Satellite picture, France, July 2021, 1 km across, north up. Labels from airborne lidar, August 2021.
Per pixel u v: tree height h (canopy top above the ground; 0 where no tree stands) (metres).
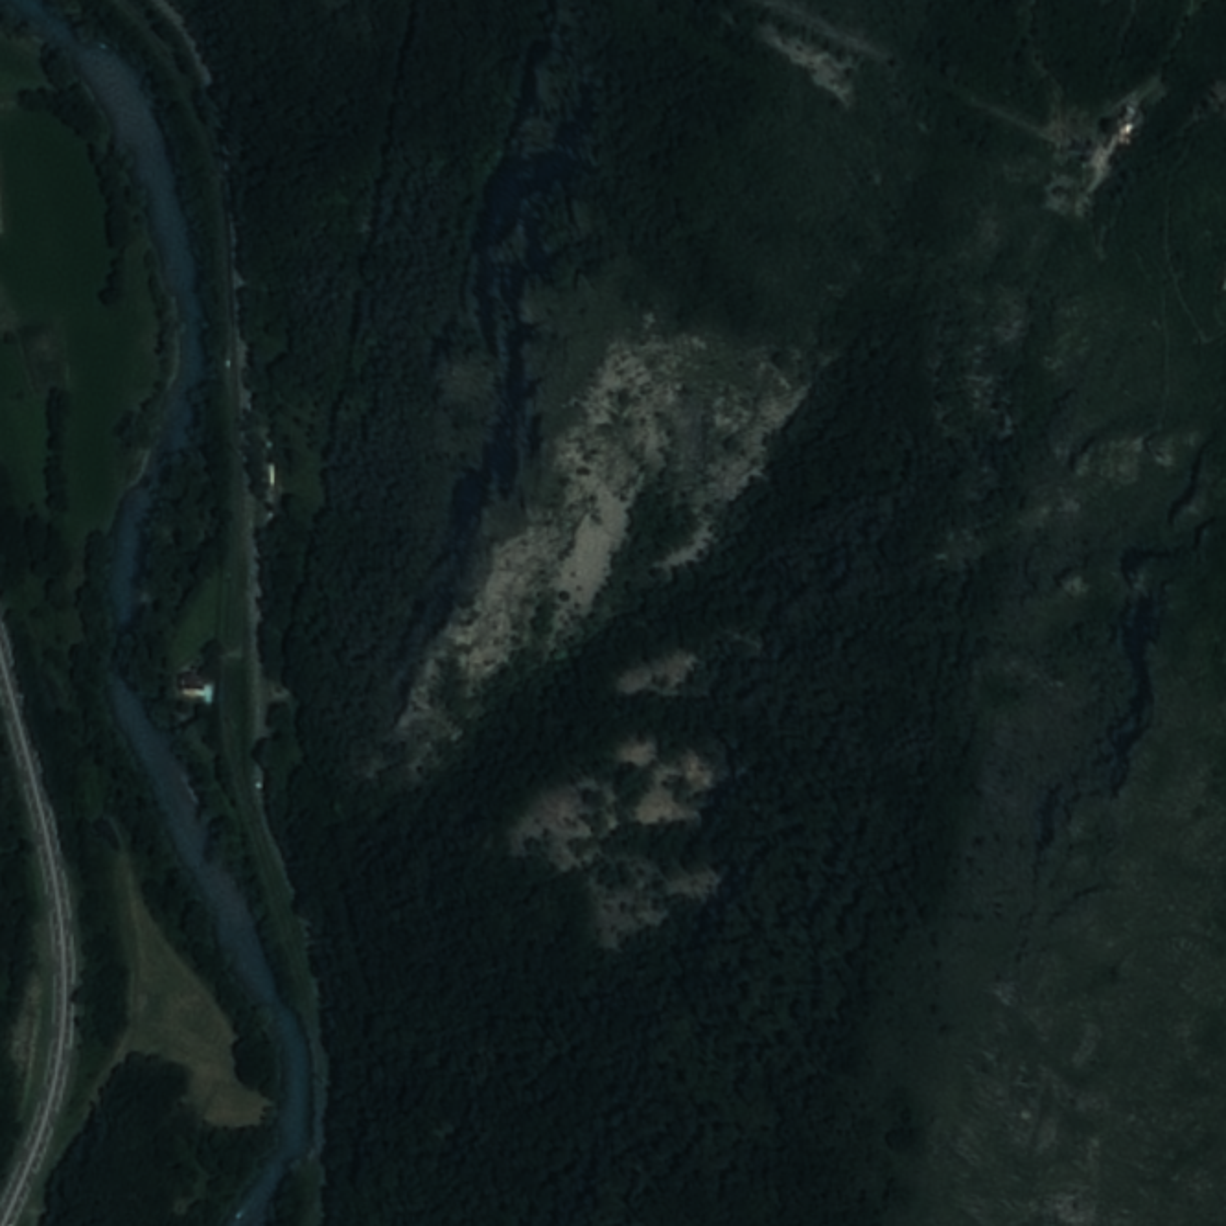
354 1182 14
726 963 25
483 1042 29
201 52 15
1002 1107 0
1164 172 6
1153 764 0
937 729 11
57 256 0
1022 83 10
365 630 19
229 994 25
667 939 10
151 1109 22
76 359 0
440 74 22
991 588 6
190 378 0
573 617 7
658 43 8
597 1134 20
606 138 7
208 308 17
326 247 22
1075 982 0
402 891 7
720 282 6
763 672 24
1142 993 0
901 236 12
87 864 14
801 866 23
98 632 15
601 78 6
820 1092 13
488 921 29
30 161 0
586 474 7
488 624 0
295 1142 0
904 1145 15
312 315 17
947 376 9
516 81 14
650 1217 22
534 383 0
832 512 28
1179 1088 0
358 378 8
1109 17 6
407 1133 19
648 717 21
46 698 17
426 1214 18
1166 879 0
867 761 12
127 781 23
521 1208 27
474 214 14
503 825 15
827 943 21
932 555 11
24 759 0
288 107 27
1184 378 0
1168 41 9
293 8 13
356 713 21
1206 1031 0
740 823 21
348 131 23
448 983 26
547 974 26
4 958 19
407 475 19
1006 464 9
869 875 17
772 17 6
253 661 0
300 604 22
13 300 0
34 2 0
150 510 0
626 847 12
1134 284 5
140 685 35
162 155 0
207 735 16
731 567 17
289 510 19
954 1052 0
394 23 18
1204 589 7
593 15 9
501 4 16
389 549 21
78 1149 8
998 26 7
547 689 10
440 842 18
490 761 22
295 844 23
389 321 21
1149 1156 0
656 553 6
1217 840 0
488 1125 27
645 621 14
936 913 6
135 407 0
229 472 17
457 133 18
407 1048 18
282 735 13
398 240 23
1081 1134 0
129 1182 15
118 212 18
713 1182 16
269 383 13
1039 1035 0
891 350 13
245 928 0
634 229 12
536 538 0
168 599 17
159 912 9
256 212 19
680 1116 23
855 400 18
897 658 11
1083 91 6
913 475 18
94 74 0
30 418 0
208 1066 0
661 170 13
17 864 12
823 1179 13
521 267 12
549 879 13
